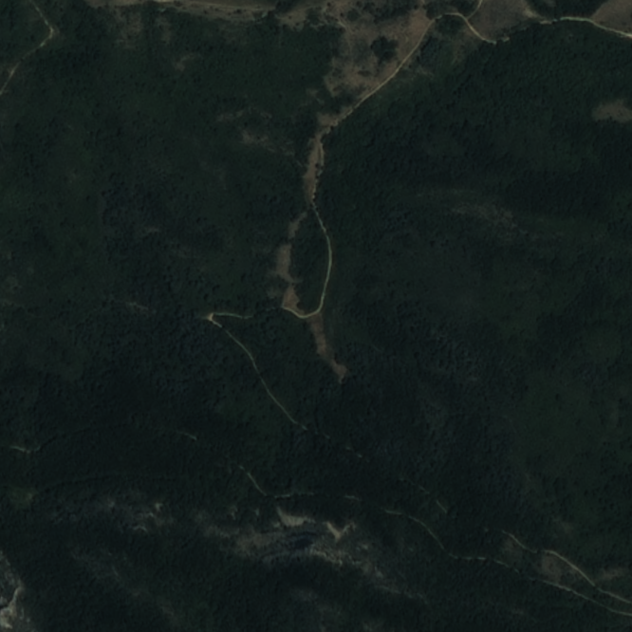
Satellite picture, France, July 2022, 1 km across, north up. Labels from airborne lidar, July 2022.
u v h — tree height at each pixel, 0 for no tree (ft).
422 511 25
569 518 29
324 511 44
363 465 53
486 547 52
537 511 22
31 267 0
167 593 28
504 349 28
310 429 43
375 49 39
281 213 22
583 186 46
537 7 36
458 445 36
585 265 36
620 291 22
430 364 49
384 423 37
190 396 56
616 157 34
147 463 40
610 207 55
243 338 22
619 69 28
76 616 24
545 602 22
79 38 43
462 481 35
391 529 30
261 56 24
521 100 33
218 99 23
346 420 34
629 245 25
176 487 43
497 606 19
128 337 21
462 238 23
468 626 45
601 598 33
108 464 50
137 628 29
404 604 32
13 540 58
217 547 27
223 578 36
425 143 20
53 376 29
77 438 58
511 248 19
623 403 43
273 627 23
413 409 37
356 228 42
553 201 36
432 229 25
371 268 25
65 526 29
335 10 0
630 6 0
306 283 24
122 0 0
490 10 0
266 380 24
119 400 71
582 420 25
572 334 33
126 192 53
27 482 44
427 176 32
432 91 41
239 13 26
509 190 30
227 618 41
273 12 29
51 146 29
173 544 23
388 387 37
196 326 37
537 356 27
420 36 0
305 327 31
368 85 0
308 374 28
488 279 25
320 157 0
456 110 35
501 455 25
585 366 22
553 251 23
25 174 18
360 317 42
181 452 43
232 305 27
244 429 59
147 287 42
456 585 31
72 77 27
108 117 20
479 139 30
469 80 34
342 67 0
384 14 26
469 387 26
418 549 22
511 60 57
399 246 19
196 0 0
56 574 44
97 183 19
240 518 25
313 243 25
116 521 26
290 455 31
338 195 21
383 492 49
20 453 28
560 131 28
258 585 31
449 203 17
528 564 21
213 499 35
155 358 25
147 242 38
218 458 53
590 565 20
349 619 23
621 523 19
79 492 53
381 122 39
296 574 33
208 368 36
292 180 22
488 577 52
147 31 28
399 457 53
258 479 44
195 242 22
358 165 39
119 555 20
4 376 23
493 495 43
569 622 25
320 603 23
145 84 22
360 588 21
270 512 32
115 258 31
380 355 27
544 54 21
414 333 48
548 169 24
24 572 24
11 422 55
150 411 63
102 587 27
